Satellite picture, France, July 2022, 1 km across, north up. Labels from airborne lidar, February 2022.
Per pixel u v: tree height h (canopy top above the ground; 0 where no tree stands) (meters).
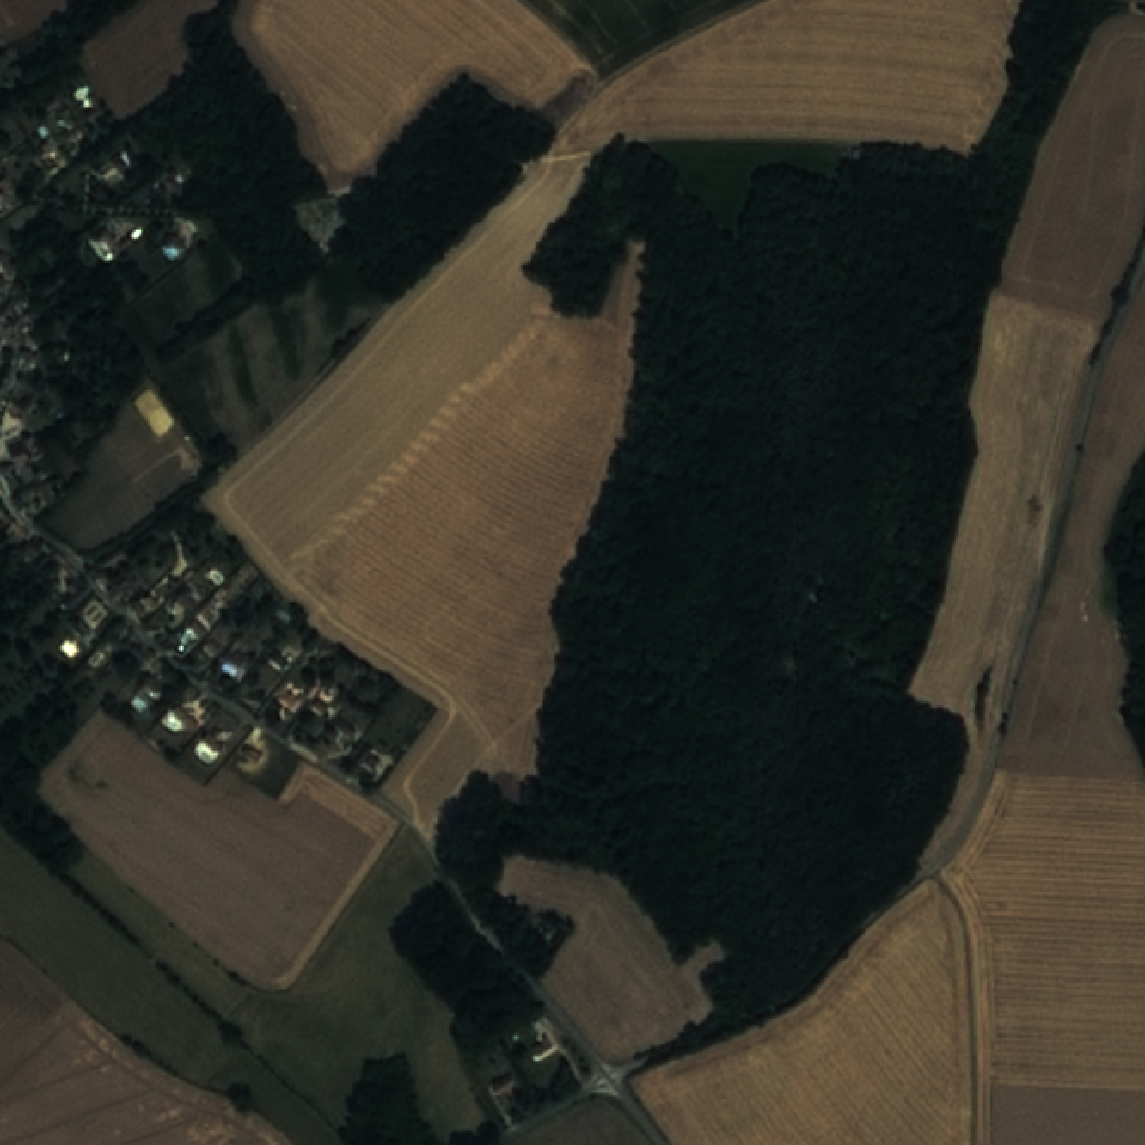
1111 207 0
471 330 0
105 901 0
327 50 0
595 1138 0
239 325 0
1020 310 0
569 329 0
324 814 0
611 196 16
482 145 21
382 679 9
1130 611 25
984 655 0
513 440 0
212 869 0
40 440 14
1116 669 0
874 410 20
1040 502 0
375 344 0
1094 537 0
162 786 0
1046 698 0
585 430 0
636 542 19
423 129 18
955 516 12
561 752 22
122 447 0
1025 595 0
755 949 17
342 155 0
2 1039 0
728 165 0
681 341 16
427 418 0
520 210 0
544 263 11
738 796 16
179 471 0
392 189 18
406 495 0
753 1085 0
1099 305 0
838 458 14
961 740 20
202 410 0
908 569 15
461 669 0
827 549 13
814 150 0
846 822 20
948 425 19
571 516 0
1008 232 6
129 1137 0
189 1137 0
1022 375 0
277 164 19
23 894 0
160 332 0
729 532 17
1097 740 0
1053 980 0
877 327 17
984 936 0
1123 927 0
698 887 17
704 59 0
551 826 20
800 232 18
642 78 0
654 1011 0
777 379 12
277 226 18
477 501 0
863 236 13
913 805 20
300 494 0
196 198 16
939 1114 0
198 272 0
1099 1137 0
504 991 24
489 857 38
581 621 15
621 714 25
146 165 14
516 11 0
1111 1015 0
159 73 0
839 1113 0
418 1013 0
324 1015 0
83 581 7
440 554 0
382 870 0
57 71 15
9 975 0
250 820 0
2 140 15
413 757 0
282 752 0
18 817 19
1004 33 0
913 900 0
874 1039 0
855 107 0
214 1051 0
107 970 0
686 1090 0
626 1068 0
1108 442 0
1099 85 0
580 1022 0
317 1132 0
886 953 0
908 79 0
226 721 0
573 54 0
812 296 13
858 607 17
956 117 0
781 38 0
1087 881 0
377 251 18
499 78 0
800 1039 0
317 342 0
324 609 0
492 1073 0
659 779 10
